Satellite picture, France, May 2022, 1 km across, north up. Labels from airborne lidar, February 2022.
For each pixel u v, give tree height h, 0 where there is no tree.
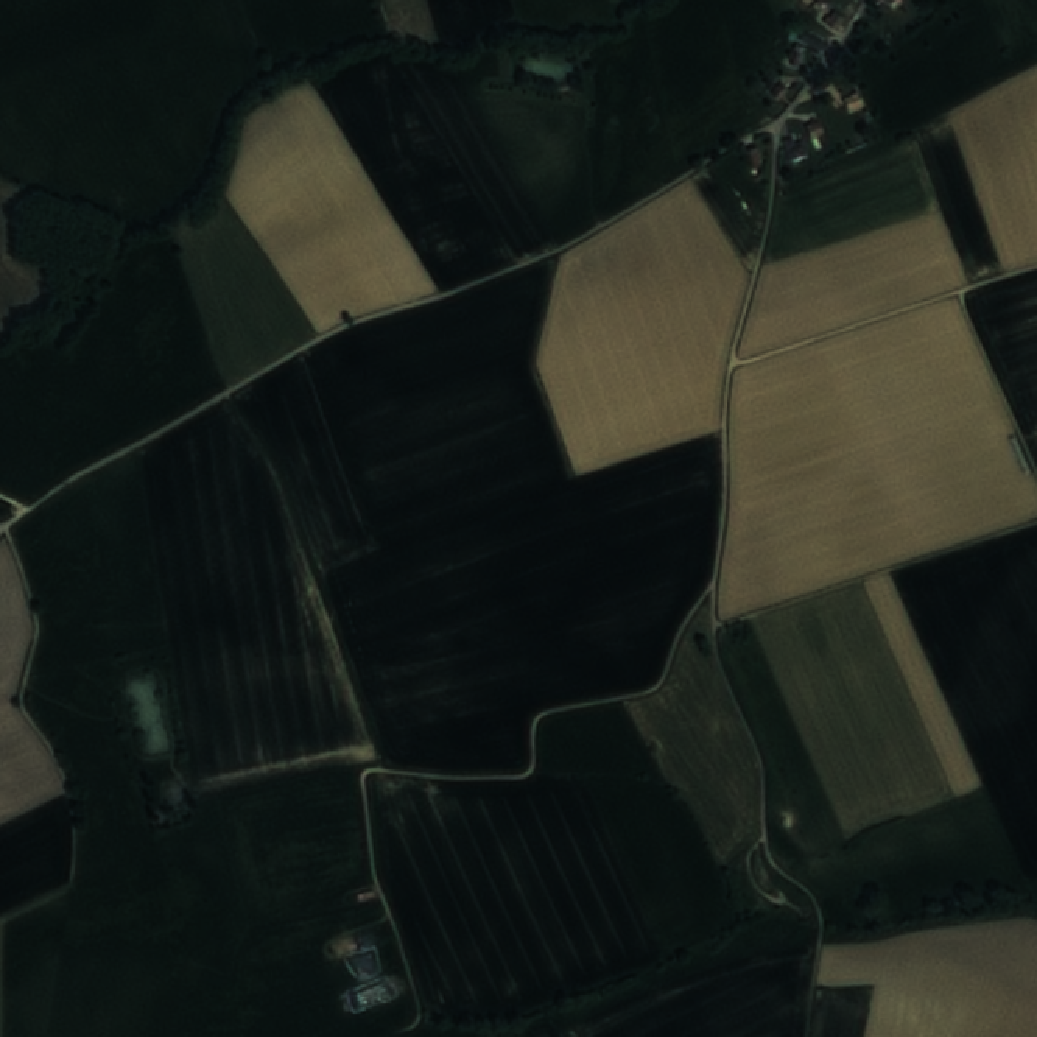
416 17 0
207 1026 0
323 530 0
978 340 0
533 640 0
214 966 0
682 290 0
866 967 0
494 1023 15
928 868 0
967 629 0
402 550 0
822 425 0
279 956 0
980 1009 0
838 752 0
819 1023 0
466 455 0
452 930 0
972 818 0
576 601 0
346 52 21
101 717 0
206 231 0
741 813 0
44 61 0
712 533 0
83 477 0
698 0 0
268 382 0
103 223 20
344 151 0
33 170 0
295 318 0
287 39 0
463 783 0
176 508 0
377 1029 0
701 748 0
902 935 0
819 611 0
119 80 0
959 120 0
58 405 0
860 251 0
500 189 0
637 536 0
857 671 0
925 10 11
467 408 0
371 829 0
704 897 0
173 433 0
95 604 0
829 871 0
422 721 0
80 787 12
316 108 0
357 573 0
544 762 0
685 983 0
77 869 0
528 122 0
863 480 0
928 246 0
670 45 0
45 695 0
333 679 0
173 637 0
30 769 0
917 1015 0
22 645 0
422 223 0
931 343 0
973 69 0
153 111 0
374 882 0
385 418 0
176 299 0
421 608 0
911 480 0
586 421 0
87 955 0
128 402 0
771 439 0
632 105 0
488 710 0
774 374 0
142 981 0
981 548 0
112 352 0
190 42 0
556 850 0
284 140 0
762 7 0
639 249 0
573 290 0
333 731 0
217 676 0
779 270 0
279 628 0
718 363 0
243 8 0
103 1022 0
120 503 0
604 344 0
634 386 0
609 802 0
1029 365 0
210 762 0
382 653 0
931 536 0
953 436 0
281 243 0
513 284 0
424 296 0
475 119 0
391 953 0
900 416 0
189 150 0
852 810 0
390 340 0
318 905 0
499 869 0
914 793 0
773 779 0
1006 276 0
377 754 0
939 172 0
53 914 0
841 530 0
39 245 19
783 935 0
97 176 0
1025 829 0
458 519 0
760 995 0
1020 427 0
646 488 0
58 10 0
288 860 0
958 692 0
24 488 0
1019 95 0
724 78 0
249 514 0
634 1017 0
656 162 0
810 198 0
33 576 0
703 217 0
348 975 0
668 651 0
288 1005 0
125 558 0
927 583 0
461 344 0
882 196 0
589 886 0
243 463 0
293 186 0
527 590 0
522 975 0
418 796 0
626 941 0
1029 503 0
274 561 0
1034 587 0
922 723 0
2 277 0
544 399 0
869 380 0
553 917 0
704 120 0
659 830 0
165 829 11
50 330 14
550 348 0
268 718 0
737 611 0
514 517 0
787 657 0
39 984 0
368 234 0
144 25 0
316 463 0
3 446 0
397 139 0
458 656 0
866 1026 0
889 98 0
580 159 0
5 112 0
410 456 0
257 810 0
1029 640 0
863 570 0
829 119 0
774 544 0
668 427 0
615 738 0
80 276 16
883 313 0
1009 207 0
